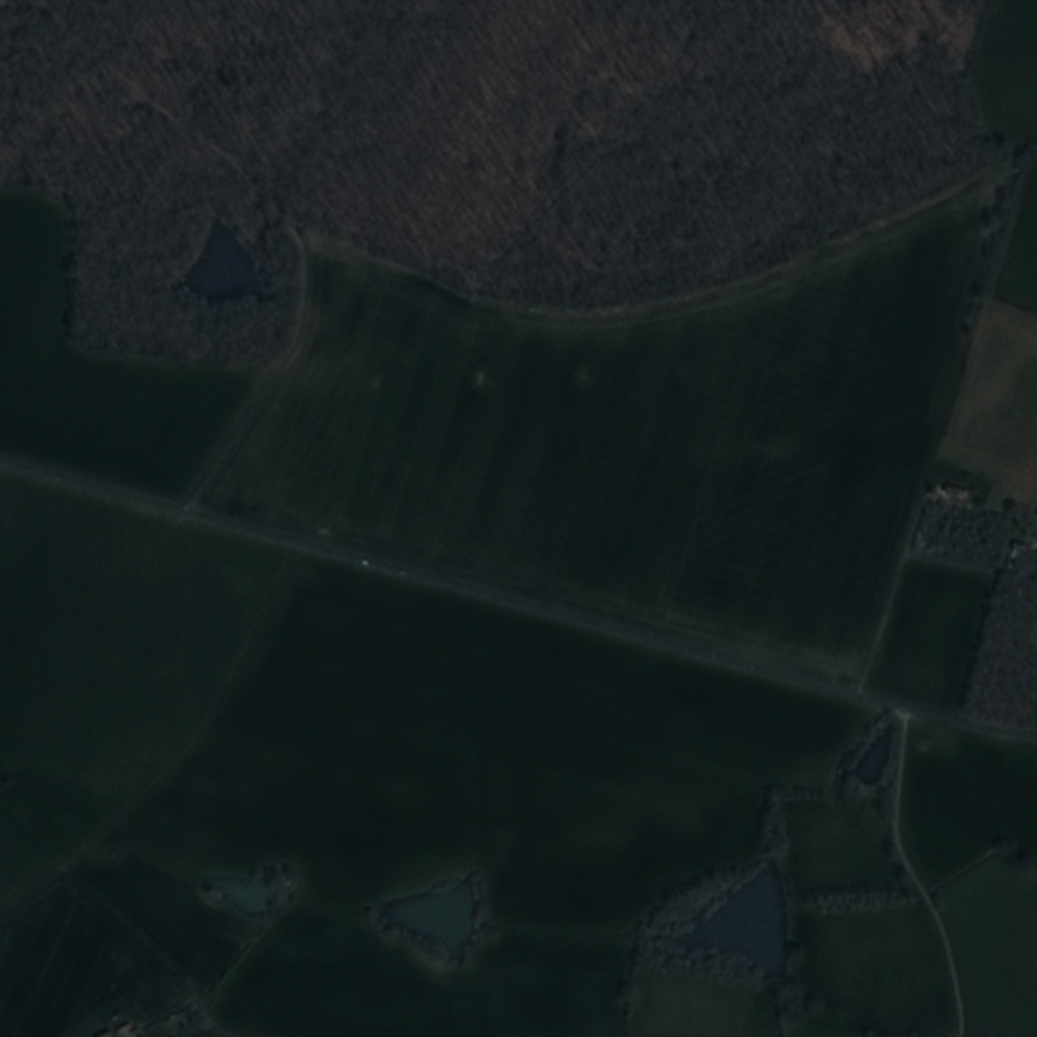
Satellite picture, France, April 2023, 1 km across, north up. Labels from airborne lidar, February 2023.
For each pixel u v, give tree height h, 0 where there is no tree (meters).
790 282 0
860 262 0
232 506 0
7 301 0
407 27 18
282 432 0
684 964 10
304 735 0
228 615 0
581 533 0
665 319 0
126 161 22
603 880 0
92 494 0
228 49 27
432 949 16
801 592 0
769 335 0
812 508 0
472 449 0
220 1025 0
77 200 19
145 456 0
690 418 0
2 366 0
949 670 0
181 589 0
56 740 0
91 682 0
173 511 0
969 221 0
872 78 28
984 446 0
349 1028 0
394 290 0
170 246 20
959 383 0
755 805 0
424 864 0
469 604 0
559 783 0
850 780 17
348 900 0
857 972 0
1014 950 0
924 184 24
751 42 19
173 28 27
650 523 0
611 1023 0
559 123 23
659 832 0
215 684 0
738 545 0
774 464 0
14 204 0
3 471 0
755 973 13
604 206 24
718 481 0
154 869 0
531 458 0
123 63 27
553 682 0
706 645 0
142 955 0
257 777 0
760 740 0
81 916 0
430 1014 0
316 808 0
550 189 21
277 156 27
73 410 0
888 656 0
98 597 0
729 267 22
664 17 25
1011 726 18
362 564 0
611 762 0
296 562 0
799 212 24
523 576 0
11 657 0
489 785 0
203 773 0
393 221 24
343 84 26
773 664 0
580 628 0
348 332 0
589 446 0
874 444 0
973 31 22
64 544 0
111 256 21
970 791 0
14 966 0
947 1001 0
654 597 0
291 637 0
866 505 0
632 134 21
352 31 28
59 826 0
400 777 0
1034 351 0
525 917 0
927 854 0
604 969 0
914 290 0
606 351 0
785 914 0
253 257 14
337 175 27
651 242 25
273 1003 0
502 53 24
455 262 26
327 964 0
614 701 0
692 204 27
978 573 0
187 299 16
